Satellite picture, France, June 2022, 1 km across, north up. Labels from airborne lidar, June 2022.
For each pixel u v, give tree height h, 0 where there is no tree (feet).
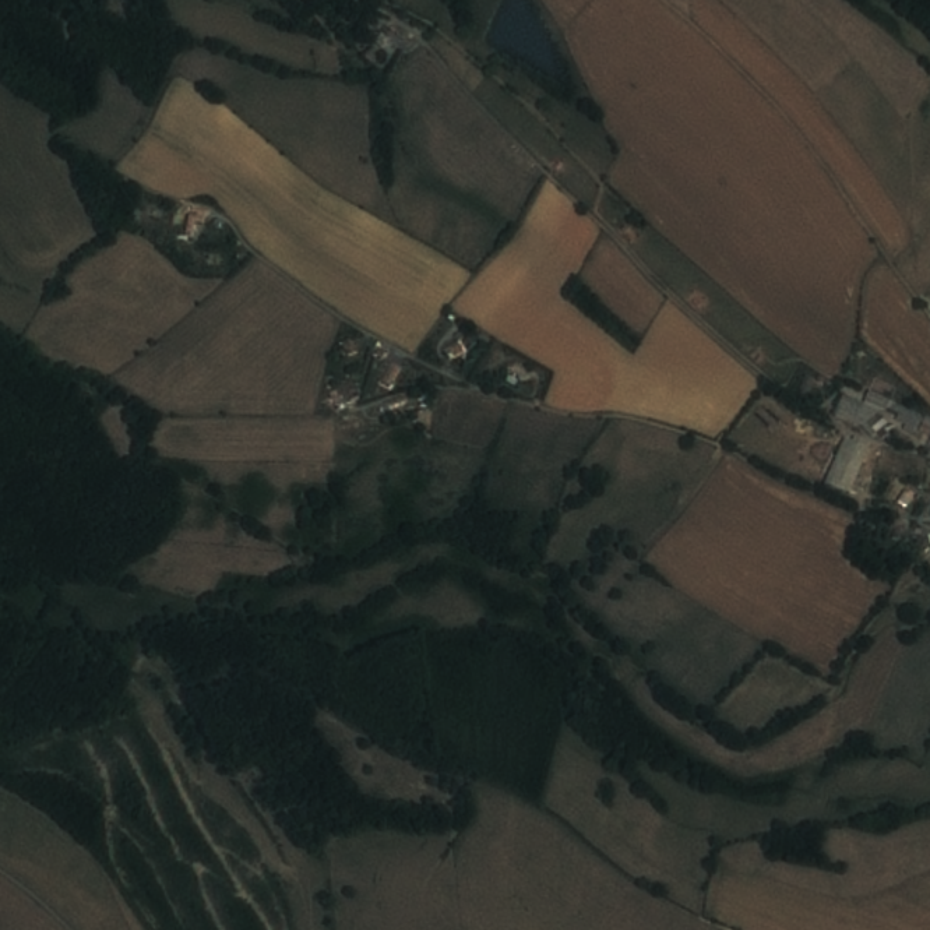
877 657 0
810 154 0
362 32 63
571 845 0
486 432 0
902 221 0
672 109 0
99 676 80
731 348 0
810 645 0
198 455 0
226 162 0
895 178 0
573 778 0
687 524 0
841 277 0
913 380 0
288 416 0
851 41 0
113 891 0
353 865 0
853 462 0
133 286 0
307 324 0
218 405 0
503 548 53
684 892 0
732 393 0
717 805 0
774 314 0
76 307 0
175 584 0
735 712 0
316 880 0
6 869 0
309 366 0
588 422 0
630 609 0
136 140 22
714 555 0
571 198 0
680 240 0
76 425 44
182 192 0
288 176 0
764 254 0
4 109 0
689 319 0
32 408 61
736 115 0
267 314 0
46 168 0
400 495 0
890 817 64
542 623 0
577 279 41
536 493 0
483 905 0
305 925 0
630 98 0
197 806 0
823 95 0
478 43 0
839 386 24
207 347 0
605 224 0
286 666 65
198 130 0
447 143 0
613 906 0
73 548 45
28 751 0
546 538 45
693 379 0
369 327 0
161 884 0
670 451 0
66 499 52
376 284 0
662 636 0
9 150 0
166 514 61
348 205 0
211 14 0
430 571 35
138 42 48
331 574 39
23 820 0
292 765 51
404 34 0
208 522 0
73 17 78
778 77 0
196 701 94
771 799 0
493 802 0
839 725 0
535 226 0
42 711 97
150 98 33
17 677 65
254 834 0
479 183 0
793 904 0
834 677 41
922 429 0
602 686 77
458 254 0
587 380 0
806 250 0
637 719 67
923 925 0
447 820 67
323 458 0
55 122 39
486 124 0
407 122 0
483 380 30
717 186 0
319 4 67
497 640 75
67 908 0
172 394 0
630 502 0
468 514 47
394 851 0
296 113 0
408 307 0
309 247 0
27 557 53
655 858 0
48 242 0
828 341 0
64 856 0
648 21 0
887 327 0
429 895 0
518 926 0
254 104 0
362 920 0
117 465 37
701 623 0
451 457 0
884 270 0
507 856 0
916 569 23
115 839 0
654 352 0
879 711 0
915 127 0
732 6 0
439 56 0
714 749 0
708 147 0
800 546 0
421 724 19
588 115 51
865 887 0
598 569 35
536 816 0
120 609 0
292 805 38
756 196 0
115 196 46
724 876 0
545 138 0
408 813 43
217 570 0
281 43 0
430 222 0
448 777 58
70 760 0
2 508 41
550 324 0
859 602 0
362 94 0
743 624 0
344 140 0
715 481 0
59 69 68
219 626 54
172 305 0
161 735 0
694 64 0
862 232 0
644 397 0
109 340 0
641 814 0
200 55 0
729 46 0
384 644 64
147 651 49
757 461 42
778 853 51
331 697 52
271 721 84
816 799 0
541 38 0
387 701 66
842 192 0
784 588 0
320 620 60
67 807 46
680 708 69
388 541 37
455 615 0
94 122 0
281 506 0
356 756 0
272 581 59
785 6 0
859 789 0
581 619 67
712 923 22
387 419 43
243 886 0
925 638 0
